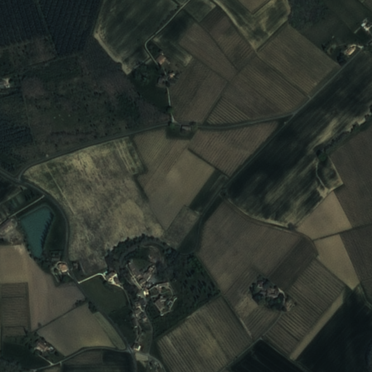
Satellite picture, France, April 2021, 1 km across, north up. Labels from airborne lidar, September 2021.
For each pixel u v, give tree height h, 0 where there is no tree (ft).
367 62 0
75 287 0
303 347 0
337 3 0
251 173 0
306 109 0
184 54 0
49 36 29
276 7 0
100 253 0
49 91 35
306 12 51
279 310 35
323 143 0
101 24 0
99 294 0
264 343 0
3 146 50
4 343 0
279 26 0
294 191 0
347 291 0
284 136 0
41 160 0
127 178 0
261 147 0
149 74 86
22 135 47
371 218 0
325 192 0
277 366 0
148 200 0
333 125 0
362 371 0
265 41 0
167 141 0
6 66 19
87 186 0
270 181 0
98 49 53
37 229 0
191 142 0
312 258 0
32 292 0
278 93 0
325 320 0
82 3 47
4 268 0
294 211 0
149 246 0
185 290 35
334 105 0
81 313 0
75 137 47
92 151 0
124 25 0
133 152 0
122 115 22
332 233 0
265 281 22
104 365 0
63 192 0
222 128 0
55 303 0
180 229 0
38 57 52
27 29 52
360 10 0
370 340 0
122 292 0
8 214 0
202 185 0
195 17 0
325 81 0
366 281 0
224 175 0
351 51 0
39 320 0
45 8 52
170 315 41
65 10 51
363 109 0
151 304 28
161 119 56
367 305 0
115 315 0
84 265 0
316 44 0
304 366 0
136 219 0
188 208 0
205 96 0
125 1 0
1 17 57
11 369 26
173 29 0
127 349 0
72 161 0
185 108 0
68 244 0
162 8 0
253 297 28
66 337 0
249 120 0
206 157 0
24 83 51
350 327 0
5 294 0
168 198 0
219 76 0
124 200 0
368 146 0
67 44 52
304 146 0
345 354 0
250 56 0
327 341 0
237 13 0
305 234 0
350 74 0
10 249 0
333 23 0
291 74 0
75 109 39
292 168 0
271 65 0
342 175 0
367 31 0
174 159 0
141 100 53
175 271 32
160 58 0
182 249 0
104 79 62
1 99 30
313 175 0
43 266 30
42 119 0
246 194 0
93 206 0
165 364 0
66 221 0
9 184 0
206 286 62
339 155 0
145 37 0
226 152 0
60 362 0
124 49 0
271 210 0
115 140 0
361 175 0
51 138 42
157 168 0
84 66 54
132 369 0
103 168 0
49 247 0
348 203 0
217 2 0
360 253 0
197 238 0
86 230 0
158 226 0
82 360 0
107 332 0
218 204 0
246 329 0
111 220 0
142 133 0
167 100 0
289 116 0
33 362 0
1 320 0
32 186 0
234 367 0
